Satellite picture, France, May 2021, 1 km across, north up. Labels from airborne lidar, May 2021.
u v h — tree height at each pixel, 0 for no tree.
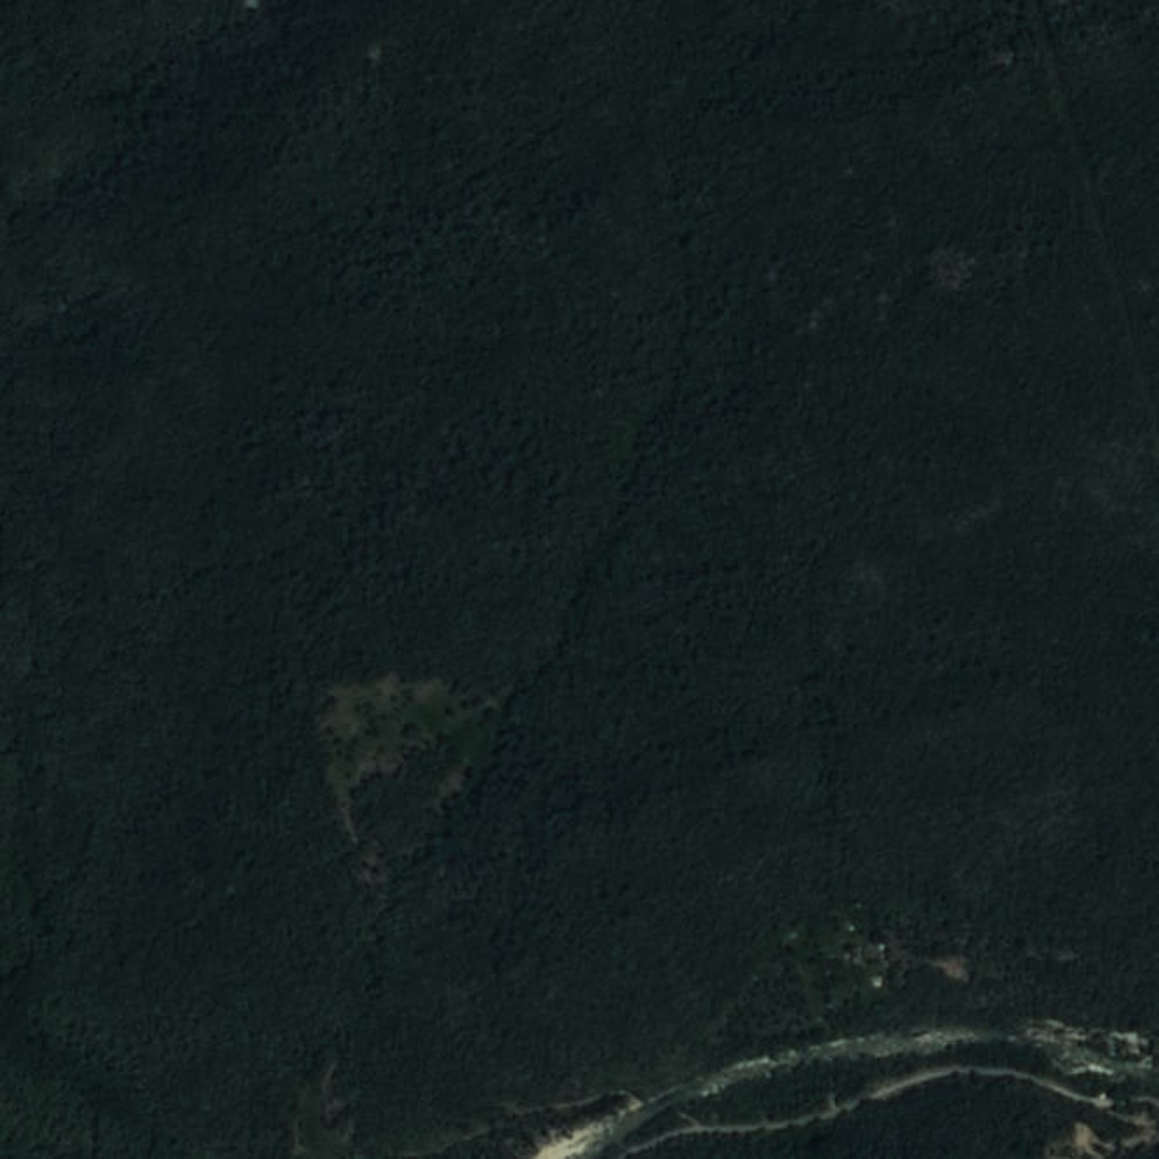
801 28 16
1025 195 9
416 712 0
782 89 9
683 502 11
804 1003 10
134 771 14
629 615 8
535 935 16
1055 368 14
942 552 6
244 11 17
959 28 7
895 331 10
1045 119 9
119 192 9
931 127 10
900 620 12
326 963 8
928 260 14
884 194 11
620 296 8
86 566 16
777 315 16
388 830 13
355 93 7
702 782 7
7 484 21
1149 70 7
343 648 11
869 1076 11
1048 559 8
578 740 12
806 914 17
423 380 15
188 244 11
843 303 9
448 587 7
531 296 13
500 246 23
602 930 7
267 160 14
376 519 23
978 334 9
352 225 12
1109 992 12
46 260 9
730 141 11
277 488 9
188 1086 6
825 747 21
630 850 9
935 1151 6
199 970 11
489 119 8
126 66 13
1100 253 6
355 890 17
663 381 19
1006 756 10
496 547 11
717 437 11
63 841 7
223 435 11
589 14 10
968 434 10
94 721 20
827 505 13
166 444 9
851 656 11
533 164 13
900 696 14
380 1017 12
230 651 15
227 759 13
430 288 17
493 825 23
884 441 6
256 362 8
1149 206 8
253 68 14
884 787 7
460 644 11
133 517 13
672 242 17
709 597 15
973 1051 18
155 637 11
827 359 13
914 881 15
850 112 6
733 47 15
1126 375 6
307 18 13
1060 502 6
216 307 9
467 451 22
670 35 7
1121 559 10
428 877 7
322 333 10
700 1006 8
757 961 18
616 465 14
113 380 10
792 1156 14
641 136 14
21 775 20
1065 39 20
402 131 13
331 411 11
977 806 11
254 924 12
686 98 12
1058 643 8
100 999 9
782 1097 9
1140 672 9
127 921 15
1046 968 10
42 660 17
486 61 11
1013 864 9
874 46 11
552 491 21
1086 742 9
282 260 13
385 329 17
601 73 9
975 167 10
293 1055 11
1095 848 8
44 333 19
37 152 11
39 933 10
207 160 18
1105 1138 12
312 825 13
